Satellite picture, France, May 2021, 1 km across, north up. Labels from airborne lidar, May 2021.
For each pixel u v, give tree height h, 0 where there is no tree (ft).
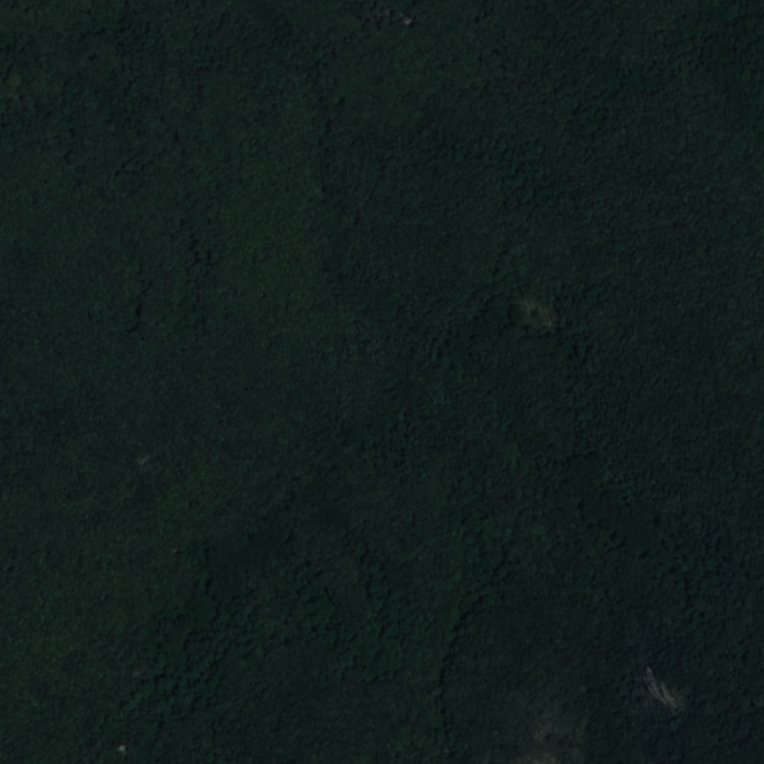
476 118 35
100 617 57
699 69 55
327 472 64
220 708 61
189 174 64
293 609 61
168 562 55
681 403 48
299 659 72
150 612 49
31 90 54
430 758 38
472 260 36
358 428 65
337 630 56
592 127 67
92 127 51
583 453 24
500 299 50
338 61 52
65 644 38
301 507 63
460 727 54
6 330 61
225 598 70
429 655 51
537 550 43
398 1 62
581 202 56
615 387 57
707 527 53
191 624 51
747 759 55
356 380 48
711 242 48
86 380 59
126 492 46
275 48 48
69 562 48
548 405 35
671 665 48
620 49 42
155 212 51
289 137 41
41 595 32
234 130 55
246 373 57
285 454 46
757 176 39
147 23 38
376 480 61
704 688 38
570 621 40
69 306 58
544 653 51
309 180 52
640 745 27
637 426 36
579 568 49
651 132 48
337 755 46
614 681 43
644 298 44
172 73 37
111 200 60
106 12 29
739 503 50
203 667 41
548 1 48
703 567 40
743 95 52
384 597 21
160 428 67
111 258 63
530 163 32
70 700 36
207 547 21
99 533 48
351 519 56
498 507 51
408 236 36
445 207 38
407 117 56
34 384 58
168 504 45
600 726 52
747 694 65
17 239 40
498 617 60
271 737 50
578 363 32
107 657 44
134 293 60
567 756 34
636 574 44
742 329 44
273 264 37
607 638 40
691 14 37
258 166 37
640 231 42
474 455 54
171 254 47
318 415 41
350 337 55
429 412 42
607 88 35
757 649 43
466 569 39
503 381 38
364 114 56
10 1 49
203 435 49
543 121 51
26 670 42
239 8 42
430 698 50
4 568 44
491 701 44
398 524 46
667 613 29
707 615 70
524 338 39
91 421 38
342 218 67
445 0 62
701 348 36
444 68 52
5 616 26
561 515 61
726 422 49
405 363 64
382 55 23
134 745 25
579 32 49
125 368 58
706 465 52
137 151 62
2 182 44
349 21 43
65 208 53
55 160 45
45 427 60
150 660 36
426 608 36
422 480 39
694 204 43
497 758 25
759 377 38
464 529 53
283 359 41
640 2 59
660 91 42
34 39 51
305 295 63
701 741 32
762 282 45
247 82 48
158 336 67
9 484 38
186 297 56
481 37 64
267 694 55
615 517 60
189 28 52
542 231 36
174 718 41
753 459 48
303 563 46
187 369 79
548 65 54
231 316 44
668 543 50
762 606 40
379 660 66
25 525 51
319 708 63
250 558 86
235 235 46
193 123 59
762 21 56
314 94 56
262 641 50
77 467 34
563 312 44
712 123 50
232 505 59
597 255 26
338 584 58
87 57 57
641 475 44
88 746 26
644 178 53
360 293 67
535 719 20
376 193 52
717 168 31
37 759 28
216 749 40
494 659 59
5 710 37
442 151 49
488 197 37
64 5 58
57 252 48
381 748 35
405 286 48
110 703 46
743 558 65
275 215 47
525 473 66
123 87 41
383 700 65
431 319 62
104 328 64
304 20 41
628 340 42
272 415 49
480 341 61
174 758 37
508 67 51
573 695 35
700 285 33
